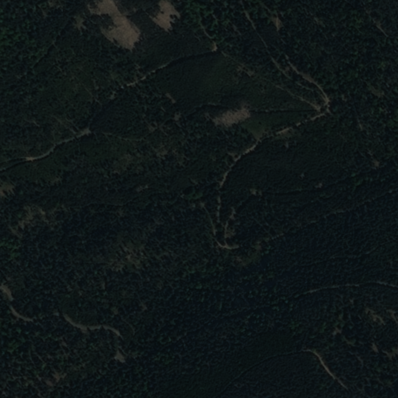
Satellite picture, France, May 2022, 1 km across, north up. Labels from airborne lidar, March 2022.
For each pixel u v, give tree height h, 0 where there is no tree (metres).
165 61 12
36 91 19
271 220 27
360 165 31
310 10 26
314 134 11
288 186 14
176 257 8
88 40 18
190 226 33
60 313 25
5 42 23
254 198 23
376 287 17
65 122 6
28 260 8
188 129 10
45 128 19
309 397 7
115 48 10
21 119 11
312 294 7
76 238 34
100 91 8
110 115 22
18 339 18
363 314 10
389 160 7
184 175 15
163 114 12
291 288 21
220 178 33
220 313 31
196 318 27
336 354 18
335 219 18
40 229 17
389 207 11
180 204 33
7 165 9
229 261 7
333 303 15
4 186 0
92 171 28
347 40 27
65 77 8
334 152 8
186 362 17
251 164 15
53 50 10
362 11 30
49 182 10
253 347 13
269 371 14
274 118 10
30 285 27
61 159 6
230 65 6
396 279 20
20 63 15
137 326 7
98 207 16
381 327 13
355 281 22
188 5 27
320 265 9
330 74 22
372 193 24
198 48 16
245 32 23
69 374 7
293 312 27
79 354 6
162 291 12
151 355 24
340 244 18
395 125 32
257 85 6
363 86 20
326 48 27
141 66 11
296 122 8
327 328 18
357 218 20
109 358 12
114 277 32
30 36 31
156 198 11
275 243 21
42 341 28
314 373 14
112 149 31
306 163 14
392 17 23
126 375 12
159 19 0
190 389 10
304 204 18
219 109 23
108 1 0
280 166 13
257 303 32
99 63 9
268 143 15
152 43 18
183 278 30
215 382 10
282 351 12
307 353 10
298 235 19
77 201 23
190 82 14
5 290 0
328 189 25
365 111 25
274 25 22
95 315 7
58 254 25
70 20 21
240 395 21
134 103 31
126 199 13
